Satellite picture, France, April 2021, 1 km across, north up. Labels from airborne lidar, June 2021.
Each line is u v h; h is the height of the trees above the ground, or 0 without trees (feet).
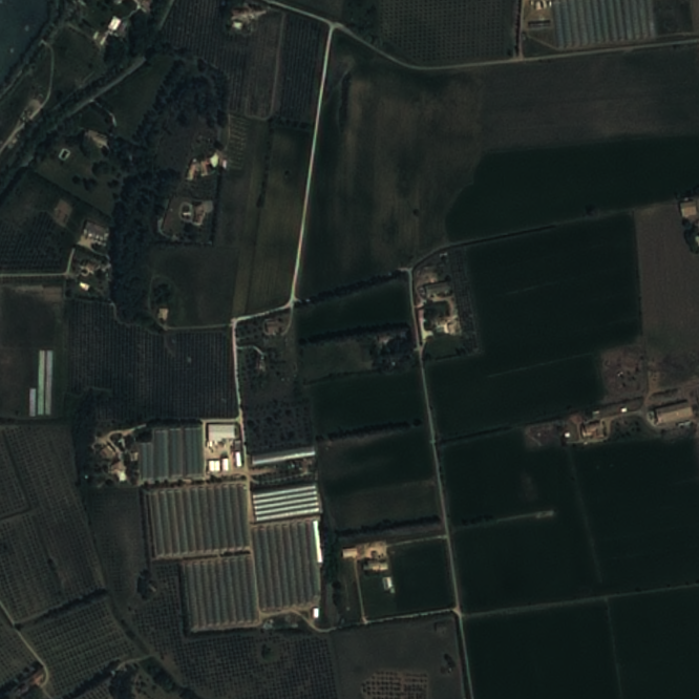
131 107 0
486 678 0
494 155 0
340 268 0
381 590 0
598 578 0
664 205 0
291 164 0
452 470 0
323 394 0
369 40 47
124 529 0
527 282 0
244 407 32
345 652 0
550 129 0
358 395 0
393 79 0
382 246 0
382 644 0
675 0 0
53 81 0
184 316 0
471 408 0
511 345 0
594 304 0
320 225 0
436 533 0
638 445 0
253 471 0
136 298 49
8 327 0
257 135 0
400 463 0
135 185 59
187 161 0
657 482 0
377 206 0
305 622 0
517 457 0
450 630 0
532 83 0
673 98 0
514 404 0
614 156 0
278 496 0
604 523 0
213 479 29
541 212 0
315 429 0
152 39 64
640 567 0
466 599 0
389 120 0
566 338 0
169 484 29
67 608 31
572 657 0
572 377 0
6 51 0
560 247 0
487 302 0
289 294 0
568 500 0
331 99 0
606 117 0
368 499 0
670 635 0
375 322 0
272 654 26
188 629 28
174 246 27
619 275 0
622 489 0
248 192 0
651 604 0
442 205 0
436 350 0
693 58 0
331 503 0
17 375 0
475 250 0
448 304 19
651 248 0
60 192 49
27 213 0
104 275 45
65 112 28
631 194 0
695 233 32
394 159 0
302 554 0
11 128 0
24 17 0
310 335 0
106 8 33
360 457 0
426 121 0
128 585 0
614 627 0
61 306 0
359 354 0
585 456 0
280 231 0
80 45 0
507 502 0
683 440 0
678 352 0
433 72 0
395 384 0
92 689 62
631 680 0
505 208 0
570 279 0
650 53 0
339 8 0
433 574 0
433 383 0
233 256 0
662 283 0
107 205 0
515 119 0
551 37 0
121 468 0
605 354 0
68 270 0
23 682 50
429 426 0
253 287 0
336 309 0
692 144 0
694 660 0
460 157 0
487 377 0
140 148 30
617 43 0
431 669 0
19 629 41
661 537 0
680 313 0
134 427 26
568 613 0
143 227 38
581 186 0
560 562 0
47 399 0
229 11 45
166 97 48
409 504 0
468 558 0
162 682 43
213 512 0
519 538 0
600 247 0
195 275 0
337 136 0
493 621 0
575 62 0
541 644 0
